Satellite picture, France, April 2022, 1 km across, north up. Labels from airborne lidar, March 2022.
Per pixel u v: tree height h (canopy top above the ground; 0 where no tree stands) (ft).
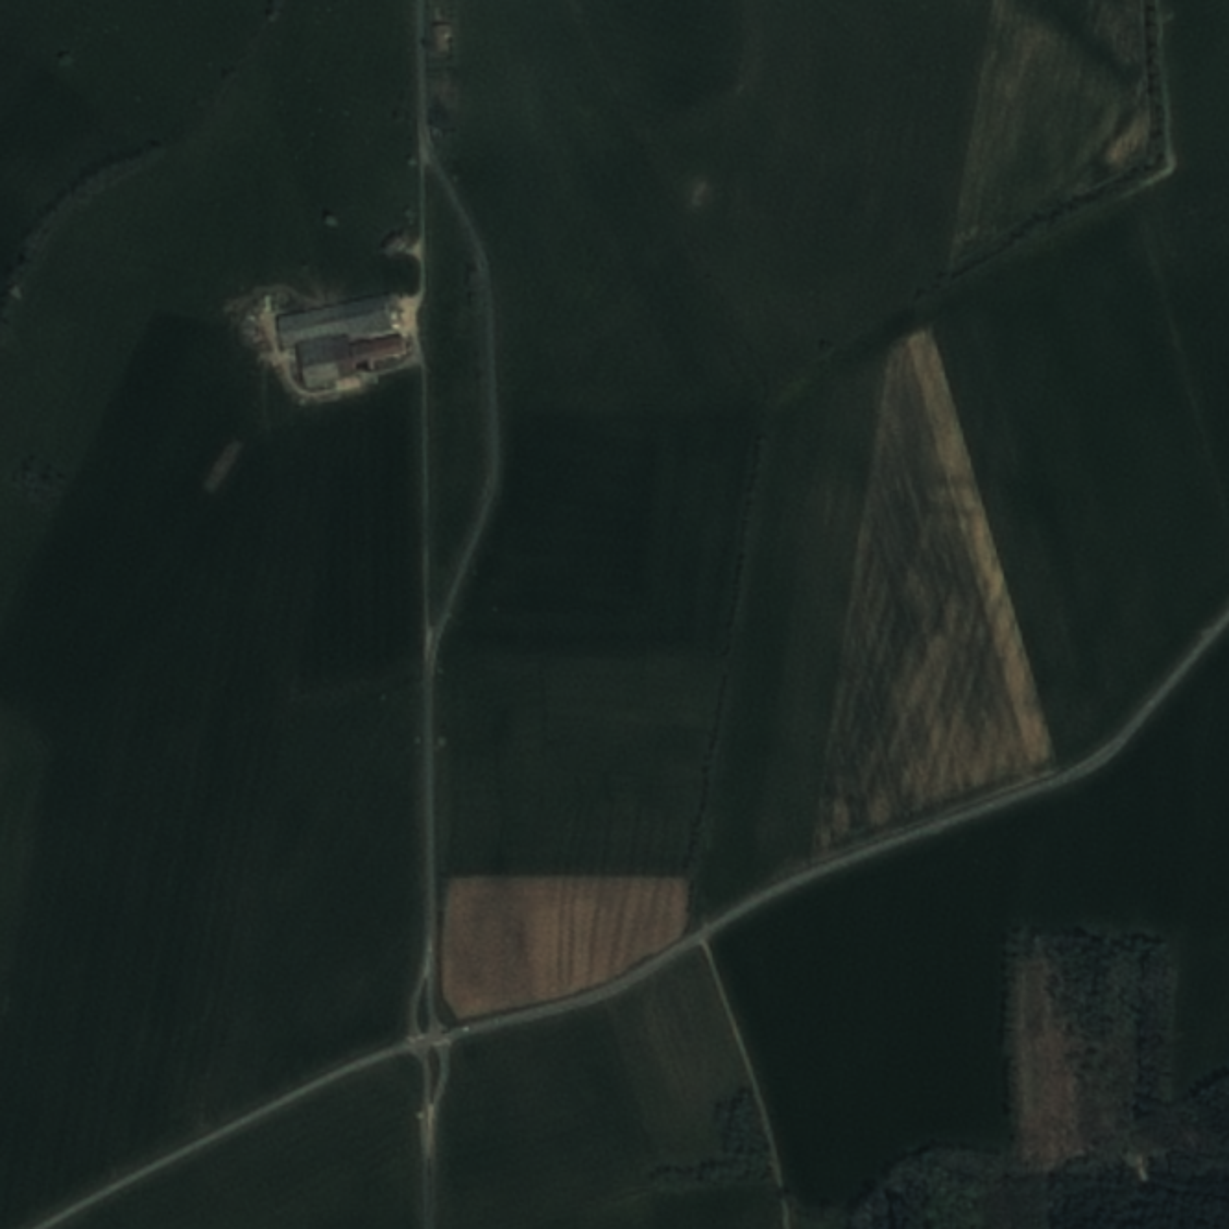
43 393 0
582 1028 0
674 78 0
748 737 0
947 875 0
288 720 0
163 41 0
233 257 0
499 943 0
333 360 0
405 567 0
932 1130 0
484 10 0
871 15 0
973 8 0
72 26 0
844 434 0
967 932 0
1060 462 0
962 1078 0
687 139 0
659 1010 0
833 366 0
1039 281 0
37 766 0
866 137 0
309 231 0
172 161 0
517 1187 0
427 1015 0
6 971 0
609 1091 0
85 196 51
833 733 0
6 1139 0
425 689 0
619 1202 0
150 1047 0
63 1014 0
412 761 0
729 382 0
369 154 0
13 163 0
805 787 0
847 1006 0
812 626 0
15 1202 0
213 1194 0
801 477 0
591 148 0
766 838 0
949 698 0
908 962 0
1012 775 0
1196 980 0
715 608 0
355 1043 0
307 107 0
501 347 0
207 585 0
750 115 0
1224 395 0
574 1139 0
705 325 0
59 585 0
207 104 0
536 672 0
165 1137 0
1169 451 0
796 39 0
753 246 0
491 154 0
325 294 0
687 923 0
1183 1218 64
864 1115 0
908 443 0
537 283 0
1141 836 0
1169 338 0
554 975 0
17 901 0
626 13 0
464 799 0
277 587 0
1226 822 0
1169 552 0
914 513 0
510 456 0
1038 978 0
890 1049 0
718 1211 0
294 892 0
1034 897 0
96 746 0
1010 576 0
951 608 0
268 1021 0
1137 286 0
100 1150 0
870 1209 61
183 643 0
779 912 0
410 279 0
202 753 0
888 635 0
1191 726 0
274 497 0
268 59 0
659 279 0
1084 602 0
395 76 0
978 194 0
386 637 0
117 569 0
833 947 0
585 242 0
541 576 0
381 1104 0
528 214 0
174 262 0
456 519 0
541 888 0
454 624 0
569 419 0
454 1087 0
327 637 0
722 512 0
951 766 0
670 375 0
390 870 0
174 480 0
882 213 0
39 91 0
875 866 0
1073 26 0
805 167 0
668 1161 0
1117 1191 66
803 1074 0
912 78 0
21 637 0
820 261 0
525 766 0
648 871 0
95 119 0
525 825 0
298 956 0
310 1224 0
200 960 0
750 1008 0
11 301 28
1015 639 0
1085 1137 0
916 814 0
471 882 0
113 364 0
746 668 0
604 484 0
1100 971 36
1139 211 0
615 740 0
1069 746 0
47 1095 0
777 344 0
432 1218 0
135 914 0
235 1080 0
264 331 0
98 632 0
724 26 0
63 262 0
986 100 0
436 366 0
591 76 0
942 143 0
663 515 0
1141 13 0
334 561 0
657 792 0
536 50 0
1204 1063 0
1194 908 0
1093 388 0
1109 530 0
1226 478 0
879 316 0
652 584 0
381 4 0
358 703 0
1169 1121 55
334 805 0
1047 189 0
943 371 0
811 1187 0
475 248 0
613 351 0
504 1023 0
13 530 0
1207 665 0
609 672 0
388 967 0
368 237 0
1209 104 0
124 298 0
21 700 0
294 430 0
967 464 0
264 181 0
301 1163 0
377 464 0
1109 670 0
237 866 0
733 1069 0
